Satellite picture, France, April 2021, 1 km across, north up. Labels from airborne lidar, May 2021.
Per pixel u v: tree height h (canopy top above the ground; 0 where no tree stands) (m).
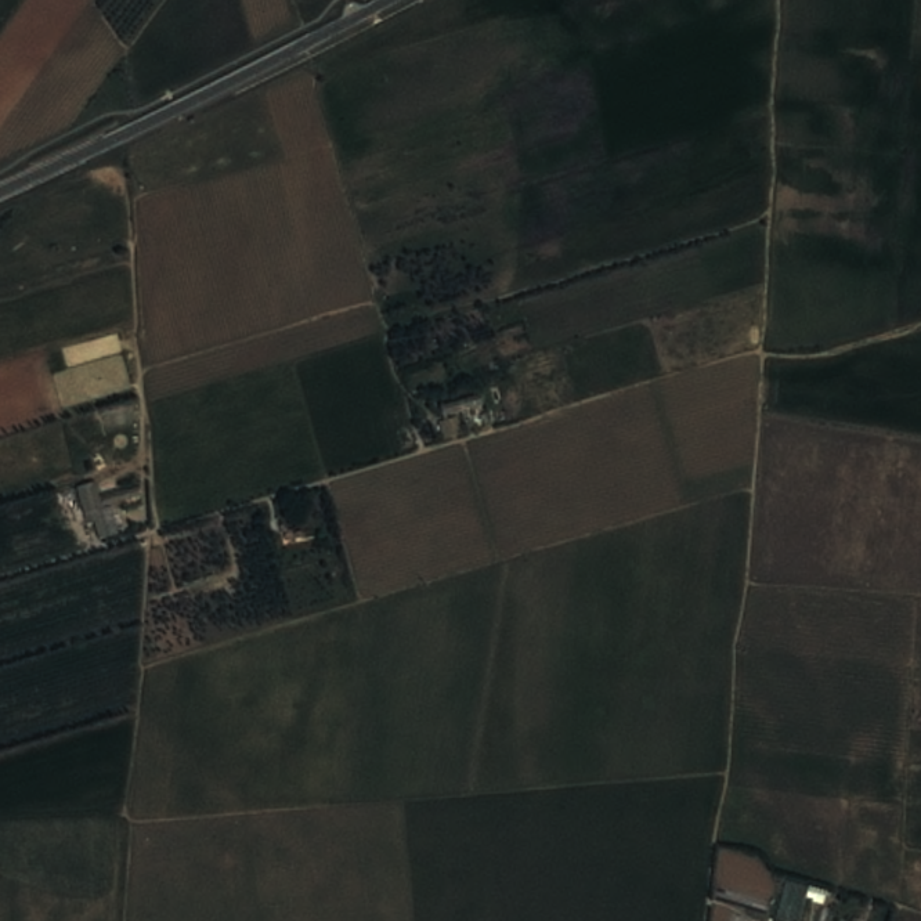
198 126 0
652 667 0
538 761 0
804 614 0
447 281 8
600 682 0
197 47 0
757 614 0
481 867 0
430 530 0
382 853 0
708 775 0
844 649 0
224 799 0
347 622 0
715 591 0
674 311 0
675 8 0
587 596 0
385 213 0
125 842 0
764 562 0
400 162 0
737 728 0
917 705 0
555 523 0
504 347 0
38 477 0
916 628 0
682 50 0
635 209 0
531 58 0
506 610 0
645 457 0
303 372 0
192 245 0
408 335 12
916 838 0
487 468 0
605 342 0
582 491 0
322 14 0
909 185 0
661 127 0
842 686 0
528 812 0
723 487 0
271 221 0
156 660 0
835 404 0
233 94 0
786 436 0
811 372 0
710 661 0
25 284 0
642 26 0
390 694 0
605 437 0
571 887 0
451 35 0
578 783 0
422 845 0
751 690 0
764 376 0
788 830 0
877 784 0
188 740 0
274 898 0
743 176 0
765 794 0
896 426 0
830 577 0
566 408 0
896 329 0
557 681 0
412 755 0
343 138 0
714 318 0
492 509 0
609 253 0
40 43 0
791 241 0
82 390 0
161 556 0
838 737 0
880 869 0
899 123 0
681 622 0
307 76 0
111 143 0
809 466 0
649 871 0
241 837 0
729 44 0
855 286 0
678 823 0
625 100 0
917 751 0
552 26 0
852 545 0
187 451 0
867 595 0
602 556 0
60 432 0
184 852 0
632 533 0
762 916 0
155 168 0
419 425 8
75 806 0
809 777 0
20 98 0
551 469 0
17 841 0
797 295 0
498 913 0
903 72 0
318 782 0
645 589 0
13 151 0
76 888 0
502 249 0
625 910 0
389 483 0
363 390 0
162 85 0
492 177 0
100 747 0
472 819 0
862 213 0
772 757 0
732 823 0
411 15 0
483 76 0
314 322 0
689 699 0
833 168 0
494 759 0
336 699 0
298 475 0
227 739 0
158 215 0
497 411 0
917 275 0
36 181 0
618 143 0
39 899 0
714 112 0
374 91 0
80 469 0
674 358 0
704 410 0
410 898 0
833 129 0
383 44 0
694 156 0
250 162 0
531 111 0
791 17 0
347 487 0
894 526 0
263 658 0
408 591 0
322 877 0
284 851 0
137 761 0
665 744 0
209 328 0
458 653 0
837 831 0
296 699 0
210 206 0
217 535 7
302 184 0
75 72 0
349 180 0
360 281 0
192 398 0
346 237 0
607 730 0
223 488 0
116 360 0
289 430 0
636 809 0
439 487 0
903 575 0
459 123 0
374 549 0
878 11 0
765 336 0
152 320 0
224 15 0
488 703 0
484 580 0
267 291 0
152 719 0
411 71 0
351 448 0
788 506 0
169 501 0
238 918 0
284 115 0
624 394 0
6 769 0
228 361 0
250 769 0
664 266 0
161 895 0
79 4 0
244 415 0
